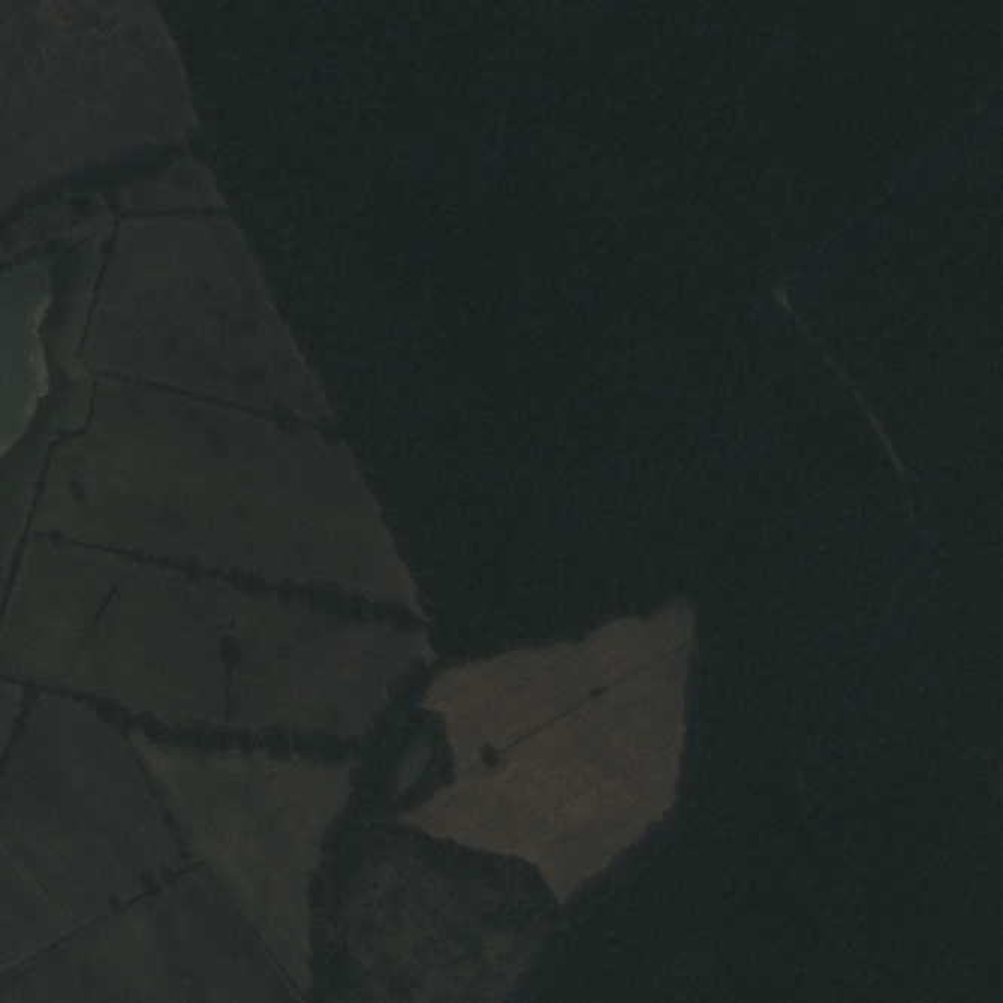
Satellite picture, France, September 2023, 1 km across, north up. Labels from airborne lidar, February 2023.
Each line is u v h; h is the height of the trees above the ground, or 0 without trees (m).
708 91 27
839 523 32
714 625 30
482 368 38
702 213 27
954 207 34
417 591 19
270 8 32
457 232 33
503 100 32
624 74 25
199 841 0
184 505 0
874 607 35
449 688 0
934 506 34
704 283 30
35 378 0
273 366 0
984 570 35
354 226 29
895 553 32
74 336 0
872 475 29
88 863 0
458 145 28
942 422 32
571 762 0
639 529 34
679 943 28
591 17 26
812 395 35
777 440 35
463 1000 0
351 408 28
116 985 0
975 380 29
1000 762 16
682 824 17
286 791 0
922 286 35
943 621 35
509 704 0
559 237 27
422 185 33
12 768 0
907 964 23
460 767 0
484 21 32
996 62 32
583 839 0
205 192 0
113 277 0
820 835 21
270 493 0
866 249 31
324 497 0
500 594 31
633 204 27
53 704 0
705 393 31
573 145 28
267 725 0
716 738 27
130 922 0
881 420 32
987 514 36
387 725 14
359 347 29
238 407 7
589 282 30
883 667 36
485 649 21
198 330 0
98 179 22
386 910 0
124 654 0
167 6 29
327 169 27
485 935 0
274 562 0
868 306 33
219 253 0
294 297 25
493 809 0
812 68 29
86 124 0
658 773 0
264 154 33
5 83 0
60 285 0
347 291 27
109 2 0
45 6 0
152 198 0
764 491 33
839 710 33
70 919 0
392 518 21
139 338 0
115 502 0
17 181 0
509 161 30
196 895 0
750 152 27
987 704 32
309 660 0
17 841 0
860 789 28
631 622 0
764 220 29
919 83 32
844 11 25
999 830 25
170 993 0
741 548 36
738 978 25
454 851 8
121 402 0
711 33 25
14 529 0
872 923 23
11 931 0
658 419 32
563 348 33
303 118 33
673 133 23
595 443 35
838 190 29
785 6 25
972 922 23
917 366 33
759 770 31
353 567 0
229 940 0
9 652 0
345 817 5
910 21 25
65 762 0
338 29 37
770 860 27
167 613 0
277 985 0
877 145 29
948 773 30
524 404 33
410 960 0
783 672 35
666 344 27
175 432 0
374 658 0
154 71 0
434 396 34
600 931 20
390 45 35
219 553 0
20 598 0
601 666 0
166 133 0
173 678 0
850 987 22
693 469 36
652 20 27
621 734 0
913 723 34
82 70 0
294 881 0
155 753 0
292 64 33
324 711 0
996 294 30
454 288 32
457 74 30
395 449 32
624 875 18
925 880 25
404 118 31
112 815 0
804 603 35
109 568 0
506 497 34
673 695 0
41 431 0
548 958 14
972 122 31
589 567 32
